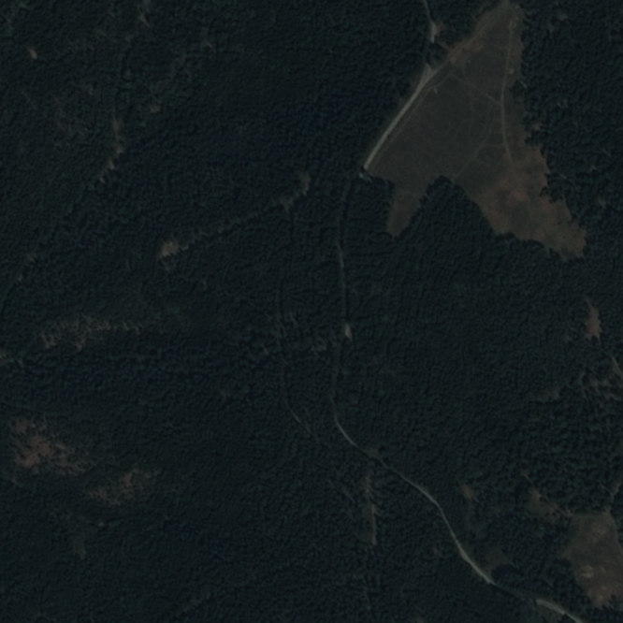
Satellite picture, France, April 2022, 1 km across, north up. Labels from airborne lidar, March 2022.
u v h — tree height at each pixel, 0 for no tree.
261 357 23
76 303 12
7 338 27
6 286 26
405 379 21
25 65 25
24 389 22
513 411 26
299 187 25
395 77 25
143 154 23
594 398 20
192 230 26
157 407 21
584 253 0
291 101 19
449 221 18
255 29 15
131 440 18
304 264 25
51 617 14
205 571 24
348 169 26
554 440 25
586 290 26
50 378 22
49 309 13
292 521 24
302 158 21
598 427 16
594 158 24
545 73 29
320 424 28
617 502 14
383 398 21
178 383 24
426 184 0
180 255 0
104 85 28
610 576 0
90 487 7
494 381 28
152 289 14
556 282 18
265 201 27
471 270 16
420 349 21
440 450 30
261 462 19
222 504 16
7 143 25
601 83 22
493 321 25
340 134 27
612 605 0
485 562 31
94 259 21
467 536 29
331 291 24
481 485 20
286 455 23
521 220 0
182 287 19
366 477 30
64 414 16
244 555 26
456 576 19
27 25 21
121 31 21
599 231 31
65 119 23
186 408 22
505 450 22
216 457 23
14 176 25
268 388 27
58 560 15
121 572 14
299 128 24
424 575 27
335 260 22
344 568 28
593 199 18
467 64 0
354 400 18
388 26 20
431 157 0
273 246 26
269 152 24
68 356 16
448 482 30
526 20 0
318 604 28
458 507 29
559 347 24
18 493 16
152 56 25
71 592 19
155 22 23
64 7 27
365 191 27
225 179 22
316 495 22
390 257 21
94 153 20
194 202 28
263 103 14
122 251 18
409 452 28
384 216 21
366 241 20
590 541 0
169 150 21
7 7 26
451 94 0
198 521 10
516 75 0
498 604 15
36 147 24
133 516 14
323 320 27
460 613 29
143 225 19
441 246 17
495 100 0
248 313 23
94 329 7
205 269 25
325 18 21
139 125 15
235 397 26
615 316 26
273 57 20
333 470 26
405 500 25
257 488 20
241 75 12
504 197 0
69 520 20
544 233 0
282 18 21
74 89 23
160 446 18
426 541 24
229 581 26
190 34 21
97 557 13
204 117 24
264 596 26
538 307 22
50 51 22
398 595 25
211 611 23
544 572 28
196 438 24
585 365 28
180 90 9
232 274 27
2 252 20
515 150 0
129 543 16
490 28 0
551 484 12
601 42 28
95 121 13
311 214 25
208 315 14
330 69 26
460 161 0
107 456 10
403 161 0
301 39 23
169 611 19
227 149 23
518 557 32
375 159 0
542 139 12
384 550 24
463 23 22
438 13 27
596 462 37
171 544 20
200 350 22
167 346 19
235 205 25
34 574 21
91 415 17
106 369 26
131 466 11
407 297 18
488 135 0
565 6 19
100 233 30
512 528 34
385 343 18
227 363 24
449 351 24
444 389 29
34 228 24
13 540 13
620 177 26
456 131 0
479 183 0
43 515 22
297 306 29
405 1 22
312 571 27
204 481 18
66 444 9
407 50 22
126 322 9
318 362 27
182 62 20
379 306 23
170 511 14
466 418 28
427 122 0
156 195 19
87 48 25
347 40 23
